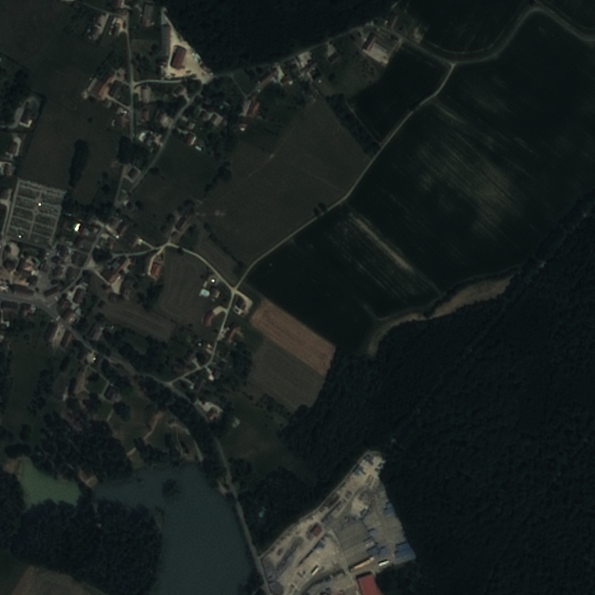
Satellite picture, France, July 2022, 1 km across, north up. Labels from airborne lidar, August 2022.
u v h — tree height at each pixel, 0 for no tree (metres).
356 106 0
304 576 0
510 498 12
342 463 22
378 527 0
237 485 13
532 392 10
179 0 22
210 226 10
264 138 0
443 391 21
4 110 9
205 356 12
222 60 19
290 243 0
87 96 0
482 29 0
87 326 8
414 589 17
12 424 0
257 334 0
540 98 0
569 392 10
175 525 0
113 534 28
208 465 24
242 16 8
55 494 0
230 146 10
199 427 25
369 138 10
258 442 0
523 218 0
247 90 0
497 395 17
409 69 0
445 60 0
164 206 0
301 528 0
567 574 11
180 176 0
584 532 16
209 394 9
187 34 19
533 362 11
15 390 0
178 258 0
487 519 14
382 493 0
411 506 17
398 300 0
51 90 0
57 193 0
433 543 15
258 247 0
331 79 10
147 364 23
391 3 13
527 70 0
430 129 0
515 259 0
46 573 0
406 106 0
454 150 0
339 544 0
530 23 0
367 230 0
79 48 0
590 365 13
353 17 22
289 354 0
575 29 0
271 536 20
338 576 0
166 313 0
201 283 0
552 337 21
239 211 0
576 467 15
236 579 0
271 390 0
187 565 0
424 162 0
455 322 15
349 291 0
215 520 0
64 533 16
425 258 0
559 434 20
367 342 0
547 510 17
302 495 25
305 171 0
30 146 0
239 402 0
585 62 0
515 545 14
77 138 0
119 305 0
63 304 0
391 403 16
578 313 17
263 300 0
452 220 0
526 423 12
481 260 0
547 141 0
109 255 10
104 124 0
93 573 25
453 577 15
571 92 0
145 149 7
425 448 21
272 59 15
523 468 22
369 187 0
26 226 0
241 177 0
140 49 0
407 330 17
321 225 0
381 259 0
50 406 0
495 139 0
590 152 0
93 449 29
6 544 25
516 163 0
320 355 0
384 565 0
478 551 11
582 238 25
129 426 0
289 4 22
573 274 14
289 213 0
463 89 0
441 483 21
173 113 8
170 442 23
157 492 0
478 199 0
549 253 20
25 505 17
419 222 0
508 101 0
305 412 18
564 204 0
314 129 0
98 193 0
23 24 0
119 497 0
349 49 0
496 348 22
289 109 6
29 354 0
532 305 20
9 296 0
